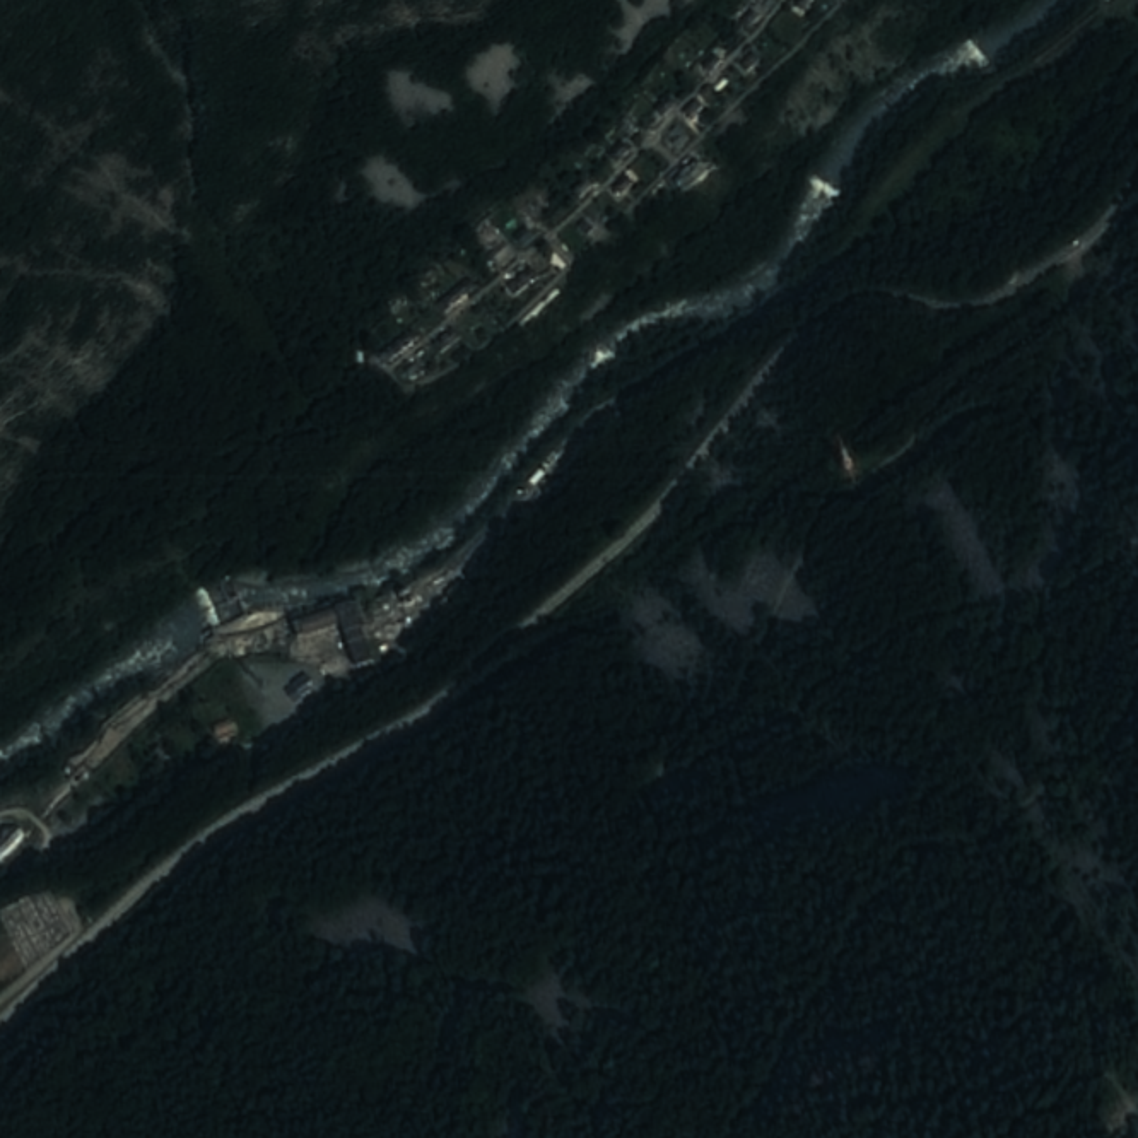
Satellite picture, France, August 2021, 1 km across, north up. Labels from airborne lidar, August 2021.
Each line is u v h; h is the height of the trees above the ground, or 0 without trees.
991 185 11
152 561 9
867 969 21
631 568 8
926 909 23
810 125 7
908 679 17
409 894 16
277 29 19
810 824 21
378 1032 27
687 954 27
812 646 15
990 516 10
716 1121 24
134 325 9
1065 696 16
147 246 9
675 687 9
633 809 20
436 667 17
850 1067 15
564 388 0
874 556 20
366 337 18
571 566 16
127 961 27
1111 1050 25
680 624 6
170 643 0
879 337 15
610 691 17
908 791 15
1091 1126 14
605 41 10
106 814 12
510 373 6
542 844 28
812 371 20
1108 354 9
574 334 14
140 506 16
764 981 22
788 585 0
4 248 15
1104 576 13
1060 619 16
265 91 14
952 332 20
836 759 19
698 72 0
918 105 19
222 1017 21
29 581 14
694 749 20
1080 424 14
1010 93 14
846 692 20
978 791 21
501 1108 7
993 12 23
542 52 11
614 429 18
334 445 14
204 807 20
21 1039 25
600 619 10
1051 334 15
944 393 41
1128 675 13
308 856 28
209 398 25
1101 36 21
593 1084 24
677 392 15
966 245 24
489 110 13
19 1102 32
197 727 12
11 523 9
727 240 16
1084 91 10
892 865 17
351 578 0
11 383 13
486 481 0
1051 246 16
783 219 12
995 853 24
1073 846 6
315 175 18
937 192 20
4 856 0
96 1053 17
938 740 8
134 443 19
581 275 8
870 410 6
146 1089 28
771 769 26
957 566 14
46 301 10
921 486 11
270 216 10
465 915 21
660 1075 26
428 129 14
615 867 26
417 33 13
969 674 16
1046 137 9
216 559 14
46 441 13
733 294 0
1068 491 8
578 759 27
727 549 12
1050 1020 31
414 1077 24
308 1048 22
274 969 25
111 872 14
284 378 26
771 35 6
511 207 0
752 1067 28
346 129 18
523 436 0
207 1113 28
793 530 17
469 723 22
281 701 0
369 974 26
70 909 0
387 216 18
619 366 13
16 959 0
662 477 15
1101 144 21
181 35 26
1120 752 21
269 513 15
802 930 23
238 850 20
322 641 0
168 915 18
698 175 0
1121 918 9
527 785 20
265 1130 26
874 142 12
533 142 14
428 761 16
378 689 23
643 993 22
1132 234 21
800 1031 29
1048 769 11
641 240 9
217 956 21
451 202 11
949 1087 19
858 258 20
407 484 21
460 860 17
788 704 13
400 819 19
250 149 9
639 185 9
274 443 17
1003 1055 20
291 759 18
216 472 19
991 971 22
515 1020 19
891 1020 19
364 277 14
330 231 21
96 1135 25
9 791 15
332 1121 24
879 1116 25
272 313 14
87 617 6
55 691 16
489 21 17
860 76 9
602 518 11
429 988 22
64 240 6
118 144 8
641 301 17
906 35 7
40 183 10
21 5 13
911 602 19
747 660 14
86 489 17
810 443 10
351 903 9
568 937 22
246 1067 23
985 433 21
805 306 21
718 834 22
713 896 30
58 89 13
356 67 20
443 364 10
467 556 0
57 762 17
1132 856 12
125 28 15
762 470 11
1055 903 15
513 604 23
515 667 10
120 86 7
